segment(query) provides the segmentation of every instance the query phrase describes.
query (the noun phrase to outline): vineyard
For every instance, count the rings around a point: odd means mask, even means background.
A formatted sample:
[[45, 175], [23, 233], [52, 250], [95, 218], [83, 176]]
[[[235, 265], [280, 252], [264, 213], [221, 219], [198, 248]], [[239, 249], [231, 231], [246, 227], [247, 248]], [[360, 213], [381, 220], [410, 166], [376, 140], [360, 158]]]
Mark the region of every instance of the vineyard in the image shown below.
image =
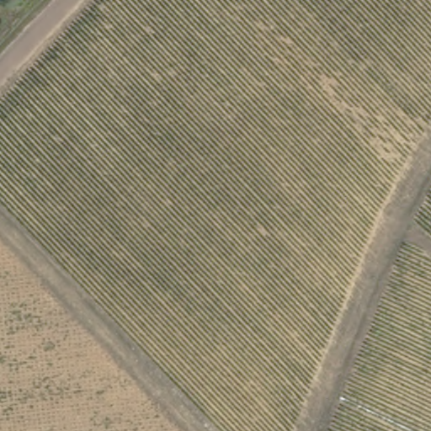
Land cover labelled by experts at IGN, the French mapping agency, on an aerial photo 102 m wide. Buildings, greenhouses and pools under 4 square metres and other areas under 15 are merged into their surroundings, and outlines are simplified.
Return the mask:
[[0, 431], [298, 431], [295, 428], [295, 421], [303, 424], [308, 416], [308, 402], [313, 396], [313, 389], [320, 384], [323, 365], [333, 343], [337, 340], [343, 315], [349, 308], [355, 285], [364, 271], [365, 258], [377, 236], [377, 231], [384, 224], [387, 205], [391, 204], [396, 195], [397, 185], [411, 168], [412, 155], [428, 138], [428, 130], [431, 128], [431, 0], [91, 0], [74, 15], [71, 24], [62, 27], [61, 32], [54, 37], [52, 47], [47, 47], [45, 52], [40, 54], [35, 64], [24, 72], [22, 79], [10, 77], [5, 88], [0, 89]]
[[431, 431], [431, 258], [423, 247], [412, 244], [406, 244], [404, 247], [391, 291], [387, 293], [379, 318], [375, 322], [374, 332], [370, 335], [364, 355], [360, 359], [359, 374], [355, 375], [349, 394], [340, 397], [343, 407], [332, 431]]
[[431, 234], [431, 197], [423, 209], [423, 214], [419, 215], [419, 226]]

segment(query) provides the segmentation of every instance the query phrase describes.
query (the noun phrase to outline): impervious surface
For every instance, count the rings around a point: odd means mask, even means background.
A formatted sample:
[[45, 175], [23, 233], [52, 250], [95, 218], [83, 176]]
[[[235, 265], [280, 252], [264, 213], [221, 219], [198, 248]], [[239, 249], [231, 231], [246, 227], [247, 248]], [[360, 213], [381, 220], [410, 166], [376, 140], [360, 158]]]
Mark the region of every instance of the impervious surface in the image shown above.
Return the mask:
[[52, 47], [54, 37], [61, 32], [62, 27], [71, 24], [74, 15], [91, 0], [51, 0], [0, 52], [0, 89], [5, 88], [10, 77], [22, 79], [24, 72], [35, 64], [40, 54], [45, 52], [47, 47]]

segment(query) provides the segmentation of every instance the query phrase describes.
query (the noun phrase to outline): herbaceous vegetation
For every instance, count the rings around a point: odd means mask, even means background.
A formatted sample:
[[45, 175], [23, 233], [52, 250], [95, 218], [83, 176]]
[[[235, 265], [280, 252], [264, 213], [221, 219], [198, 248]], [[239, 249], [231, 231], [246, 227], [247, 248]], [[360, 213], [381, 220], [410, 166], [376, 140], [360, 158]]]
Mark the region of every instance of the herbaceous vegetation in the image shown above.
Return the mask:
[[431, 234], [419, 226], [419, 215], [423, 214], [423, 209], [431, 197], [431, 128], [428, 130], [428, 138], [412, 155], [411, 168], [397, 185], [396, 195], [391, 204], [387, 205], [384, 224], [377, 231], [377, 236], [365, 258], [364, 271], [355, 285], [349, 308], [343, 315], [337, 340], [333, 343], [323, 365], [320, 384], [313, 389], [313, 396], [308, 402], [308, 416], [303, 424], [295, 421], [295, 428], [298, 431], [332, 431], [343, 407], [340, 397], [349, 394], [355, 375], [359, 374], [360, 359], [364, 355], [370, 335], [374, 332], [375, 322], [379, 318], [387, 293], [391, 291], [404, 247], [406, 244], [412, 244], [423, 247], [431, 258]]
[[0, 52], [51, 0], [0, 0]]

